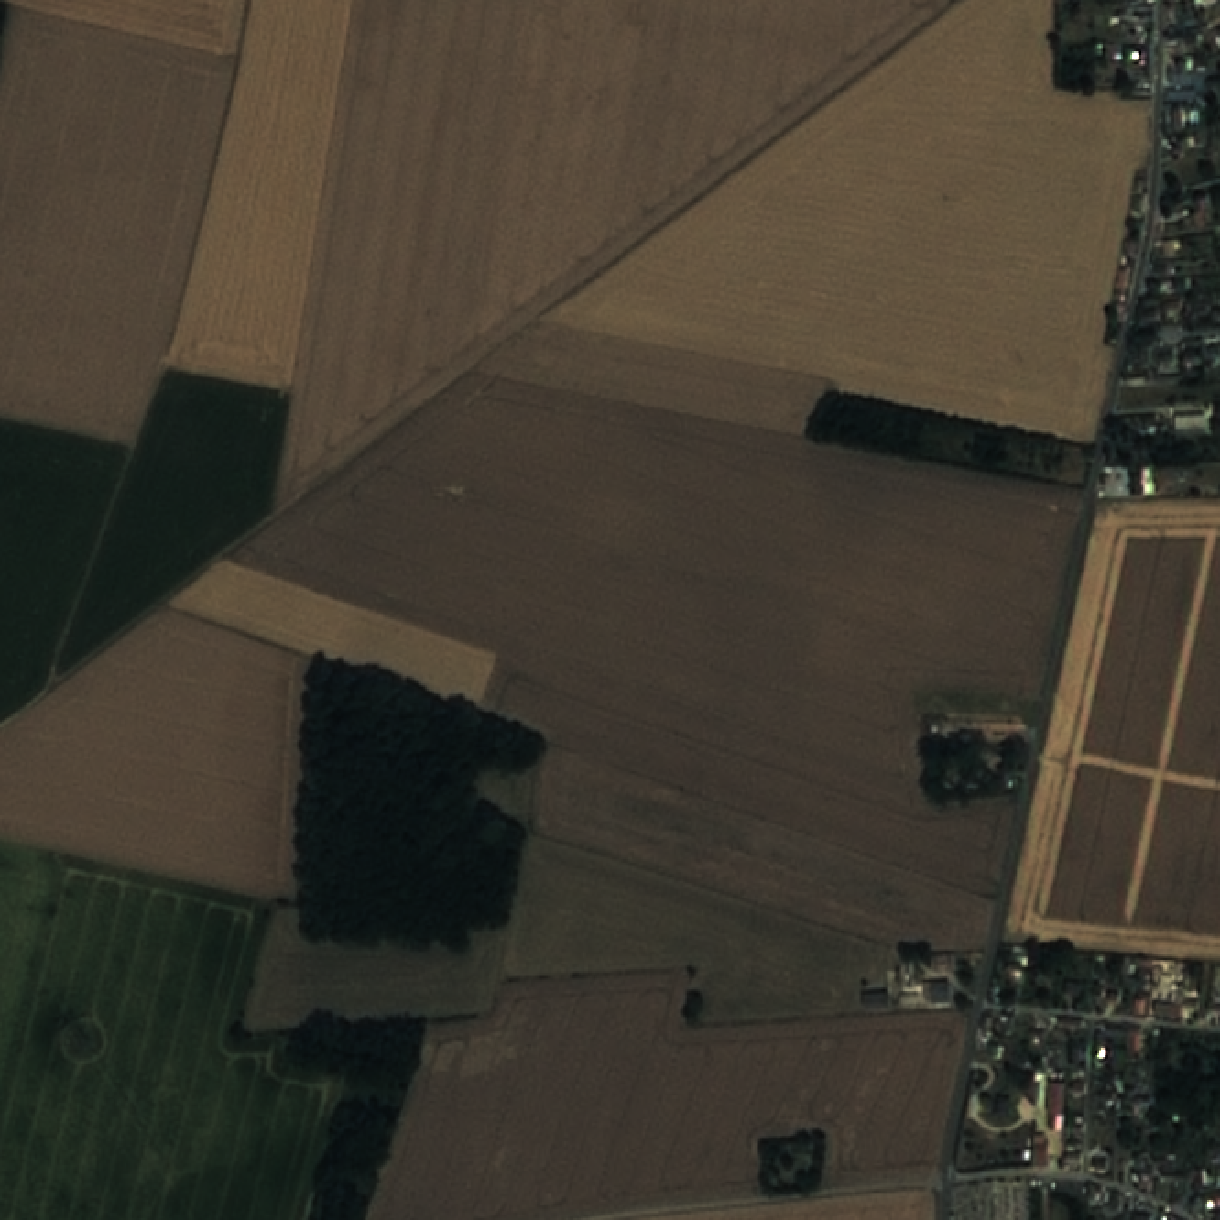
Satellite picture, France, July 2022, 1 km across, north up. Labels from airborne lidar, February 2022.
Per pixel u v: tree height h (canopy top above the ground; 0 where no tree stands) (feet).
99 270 0
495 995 0
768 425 0
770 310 0
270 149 0
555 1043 0
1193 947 0
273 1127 0
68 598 0
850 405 41
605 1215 0
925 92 0
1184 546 0
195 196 0
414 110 0
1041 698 0
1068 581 0
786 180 0
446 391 0
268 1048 0
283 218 0
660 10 0
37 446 0
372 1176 64
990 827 0
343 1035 20
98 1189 0
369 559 0
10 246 0
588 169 0
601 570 0
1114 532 0
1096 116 0
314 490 0
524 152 0
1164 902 0
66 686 0
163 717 0
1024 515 0
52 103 0
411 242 0
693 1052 0
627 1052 0
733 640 0
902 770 0
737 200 0
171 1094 0
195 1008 0
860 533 0
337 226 0
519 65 0
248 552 0
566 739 0
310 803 66
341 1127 39
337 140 0
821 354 0
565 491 0
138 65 0
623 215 0
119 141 0
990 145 0
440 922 72
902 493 0
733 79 0
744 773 0
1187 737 0
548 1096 0
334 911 58
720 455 0
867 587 0
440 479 0
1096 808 0
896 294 0
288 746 0
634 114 0
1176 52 0
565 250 0
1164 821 0
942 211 0
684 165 0
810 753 0
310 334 0
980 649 0
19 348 0
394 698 74
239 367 0
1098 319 0
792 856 0
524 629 0
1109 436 45
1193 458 49
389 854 79
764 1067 0
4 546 0
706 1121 0
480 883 78
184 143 0
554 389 0
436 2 0
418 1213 0
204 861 0
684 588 0
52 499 0
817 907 0
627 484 0
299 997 0
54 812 0
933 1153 0
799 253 0
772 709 0
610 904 0
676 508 0
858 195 0
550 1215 0
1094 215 0
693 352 0
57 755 0
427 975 0
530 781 0
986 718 0
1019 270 0
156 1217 0
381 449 0
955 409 0
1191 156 0
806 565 0
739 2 0
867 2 0
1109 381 0
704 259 0
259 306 0
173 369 0
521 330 0
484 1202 0
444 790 95
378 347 0
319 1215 29
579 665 0
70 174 0
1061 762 0
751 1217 0
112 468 0
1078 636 0
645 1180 0
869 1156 0
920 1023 0
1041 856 0
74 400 0
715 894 0
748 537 0
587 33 0
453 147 0
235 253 0
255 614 0
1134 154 0
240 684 0
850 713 0
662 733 0
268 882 0
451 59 0
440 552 0
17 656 0
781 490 0
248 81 0
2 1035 0
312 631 0
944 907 0
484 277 0
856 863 0
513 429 0
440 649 0
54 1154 0
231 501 0
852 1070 0
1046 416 0
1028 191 0
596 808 0
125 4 0
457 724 80
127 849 0
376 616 0
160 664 0
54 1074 0
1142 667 0
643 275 0
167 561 0
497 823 94
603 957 0
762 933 0
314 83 0
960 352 0
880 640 0
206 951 0
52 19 0
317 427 0
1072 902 0
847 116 0
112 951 0
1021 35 0
